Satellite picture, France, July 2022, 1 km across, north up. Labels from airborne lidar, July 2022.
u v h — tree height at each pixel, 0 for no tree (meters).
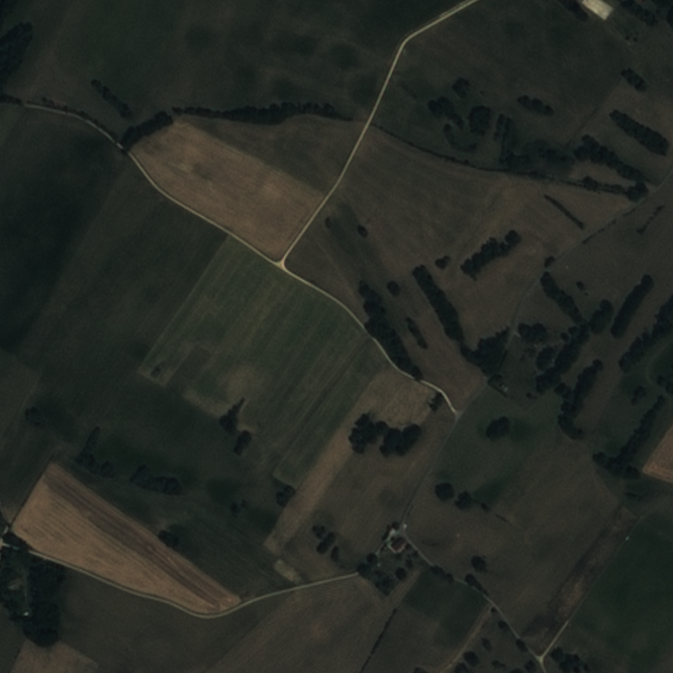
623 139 0
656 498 0
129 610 0
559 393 10
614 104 0
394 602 0
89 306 0
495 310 0
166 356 0
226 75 0
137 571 0
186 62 0
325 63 0
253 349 0
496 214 0
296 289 0
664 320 18
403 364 20
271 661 0
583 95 0
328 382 0
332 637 0
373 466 0
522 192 0
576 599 0
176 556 0
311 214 0
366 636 0
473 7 0
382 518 0
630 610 0
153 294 0
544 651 0
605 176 0
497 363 13
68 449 0
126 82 0
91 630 0
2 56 20
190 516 0
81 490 0
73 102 0
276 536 0
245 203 0
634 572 0
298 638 0
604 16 0
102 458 0
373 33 0
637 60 0
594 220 0
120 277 0
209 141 0
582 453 0
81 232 0
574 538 0
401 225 0
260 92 0
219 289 0
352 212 0
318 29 0
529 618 0
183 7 0
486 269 0
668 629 0
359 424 10
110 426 0
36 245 0
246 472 0
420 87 0
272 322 0
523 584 0
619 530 0
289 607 0
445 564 0
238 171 0
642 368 0
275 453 0
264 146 0
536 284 0
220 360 0
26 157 0
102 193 0
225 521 0
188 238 0
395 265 0
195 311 0
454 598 0
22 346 0
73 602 0
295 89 0
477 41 0
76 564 0
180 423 0
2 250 0
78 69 0
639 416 0
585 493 0
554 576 0
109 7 0
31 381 0
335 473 0
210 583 0
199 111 9
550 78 0
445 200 0
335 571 0
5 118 0
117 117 0
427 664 0
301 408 0
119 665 0
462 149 0
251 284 0
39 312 0
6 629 0
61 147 0
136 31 0
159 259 0
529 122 0
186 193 0
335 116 10
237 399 0
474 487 0
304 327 0
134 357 0
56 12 0
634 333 0
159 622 0
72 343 0
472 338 0
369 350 0
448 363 0
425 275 11
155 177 0
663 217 0
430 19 0
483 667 0
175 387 0
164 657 0
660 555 0
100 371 0
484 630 0
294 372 0
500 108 0
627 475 11
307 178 0
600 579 0
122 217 0
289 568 0
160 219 0
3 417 0
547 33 0
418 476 0
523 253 0
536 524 0
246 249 0
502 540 0
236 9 0
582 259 0
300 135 0
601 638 0
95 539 0
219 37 0
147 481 8
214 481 0
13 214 0
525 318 0
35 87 0
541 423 0
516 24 0
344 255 0
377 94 0
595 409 0
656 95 0
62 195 0
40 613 19
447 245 0
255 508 0
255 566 0
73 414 0
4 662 0
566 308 12
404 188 0
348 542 0
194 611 0
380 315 15
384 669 0
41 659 0
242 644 0
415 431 13
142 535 0
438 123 0
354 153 0
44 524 0
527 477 0
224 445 0
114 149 0
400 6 0
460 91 14
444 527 0
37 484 0
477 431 0
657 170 0
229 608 0
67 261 0
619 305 0
